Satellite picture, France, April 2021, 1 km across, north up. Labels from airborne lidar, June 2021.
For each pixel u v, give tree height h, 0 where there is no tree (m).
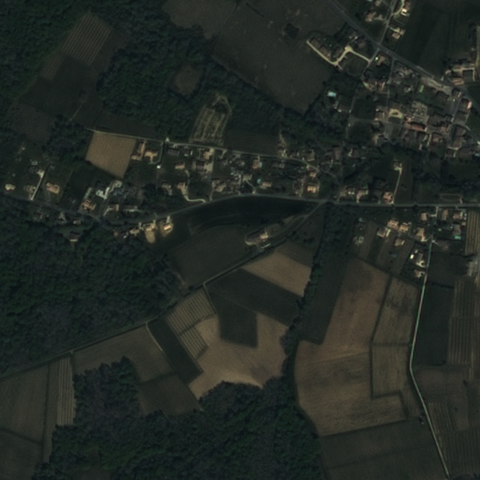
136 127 0
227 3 0
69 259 21
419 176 16
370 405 0
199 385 0
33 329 25
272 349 0
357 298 0
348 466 0
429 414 0
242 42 0
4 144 10
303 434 15
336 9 0
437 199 7
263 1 0
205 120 0
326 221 9
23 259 21
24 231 21
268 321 0
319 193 0
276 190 10
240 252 0
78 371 0
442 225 11
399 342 0
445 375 0
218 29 0
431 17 0
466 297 0
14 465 0
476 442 0
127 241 8
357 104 0
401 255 0
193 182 9
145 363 0
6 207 21
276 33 0
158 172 0
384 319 0
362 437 0
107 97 21
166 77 16
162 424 25
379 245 0
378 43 0
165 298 27
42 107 0
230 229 0
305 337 0
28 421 0
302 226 0
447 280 0
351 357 0
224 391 14
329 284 0
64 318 27
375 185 10
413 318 0
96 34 0
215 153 0
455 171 0
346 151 12
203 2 0
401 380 0
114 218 0
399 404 0
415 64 0
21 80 17
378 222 0
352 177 10
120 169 0
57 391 0
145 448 20
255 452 17
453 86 0
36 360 16
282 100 0
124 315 16
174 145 0
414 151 7
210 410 16
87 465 19
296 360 0
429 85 0
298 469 23
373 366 0
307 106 0
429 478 0
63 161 17
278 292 0
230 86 16
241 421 15
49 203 0
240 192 10
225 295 0
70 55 0
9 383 0
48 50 19
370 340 0
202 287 0
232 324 0
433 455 0
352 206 10
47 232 15
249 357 0
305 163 0
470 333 0
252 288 0
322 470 9
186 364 0
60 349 15
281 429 15
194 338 0
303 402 0
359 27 0
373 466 0
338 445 0
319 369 0
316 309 0
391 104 0
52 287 26
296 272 0
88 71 0
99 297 18
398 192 0
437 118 0
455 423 0
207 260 0
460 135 0
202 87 13
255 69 0
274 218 0
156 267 9
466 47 0
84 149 18
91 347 0
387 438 0
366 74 6
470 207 0
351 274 0
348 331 0
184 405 0
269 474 13
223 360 0
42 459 0
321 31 0
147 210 12
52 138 8
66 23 21
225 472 25
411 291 0
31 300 25
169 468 21
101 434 18
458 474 0
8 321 21
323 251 10
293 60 0
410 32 0
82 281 26
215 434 12
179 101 21
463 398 0
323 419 0
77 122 0
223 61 0
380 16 0
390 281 0
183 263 0
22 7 21
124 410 22
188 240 0
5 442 0
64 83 0
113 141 0
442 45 0
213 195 0
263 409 20
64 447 18
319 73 0
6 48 14
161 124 13
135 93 24
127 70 23
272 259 0
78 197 0
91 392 20
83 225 13
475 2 0
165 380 0
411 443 0
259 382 0
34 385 0
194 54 21
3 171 10
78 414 18
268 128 6
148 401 0
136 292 21
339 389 0
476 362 0
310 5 0
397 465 0
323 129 22
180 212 0
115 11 17
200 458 13
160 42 13
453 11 0
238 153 0
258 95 20
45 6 27
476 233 0
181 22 0
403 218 0
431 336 0
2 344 16
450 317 0
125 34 13
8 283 23
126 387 22
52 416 0
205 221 0
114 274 23
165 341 0
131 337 0
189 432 8
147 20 15
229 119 0
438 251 0
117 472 6
